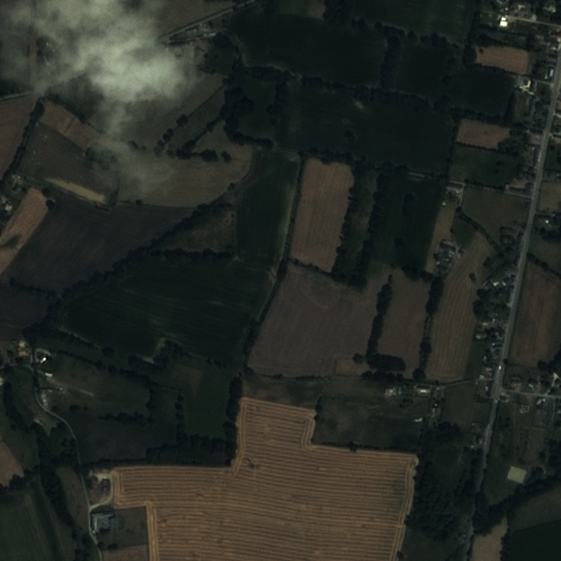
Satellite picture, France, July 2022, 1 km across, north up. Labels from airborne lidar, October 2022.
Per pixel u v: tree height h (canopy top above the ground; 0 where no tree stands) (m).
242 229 0
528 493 20
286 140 0
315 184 0
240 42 0
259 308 0
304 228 0
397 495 0
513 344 0
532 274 0
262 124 0
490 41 15
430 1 0
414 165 0
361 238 0
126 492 0
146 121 0
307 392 0
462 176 0
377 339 11
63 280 0
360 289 31
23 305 0
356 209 7
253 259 0
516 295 0
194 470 0
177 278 0
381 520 0
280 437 0
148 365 15
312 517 0
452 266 0
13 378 0
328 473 0
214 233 0
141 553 0
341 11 17
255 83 0
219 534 0
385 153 0
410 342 0
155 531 0
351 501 0
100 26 0
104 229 0
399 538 0
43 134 0
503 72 11
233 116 15
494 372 0
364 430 0
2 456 0
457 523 6
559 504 0
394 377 17
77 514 0
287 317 0
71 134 0
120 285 0
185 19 0
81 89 0
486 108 0
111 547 6
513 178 0
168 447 14
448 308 0
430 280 16
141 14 0
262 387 0
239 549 0
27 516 0
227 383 0
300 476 0
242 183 0
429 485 6
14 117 0
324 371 0
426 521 15
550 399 0
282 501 0
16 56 0
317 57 0
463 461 0
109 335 0
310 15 0
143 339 0
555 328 0
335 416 0
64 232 0
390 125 0
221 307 0
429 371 0
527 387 0
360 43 0
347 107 0
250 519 0
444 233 0
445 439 7
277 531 0
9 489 10
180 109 0
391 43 16
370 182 0
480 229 7
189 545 0
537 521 0
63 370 0
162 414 0
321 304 0
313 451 0
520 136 11
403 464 0
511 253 12
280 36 0
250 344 13
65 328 0
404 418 0
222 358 0
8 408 17
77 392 0
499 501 0
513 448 0
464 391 0
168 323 0
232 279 0
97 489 0
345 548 0
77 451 10
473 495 14
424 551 0
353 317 0
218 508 0
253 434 0
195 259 19
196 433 0
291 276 0
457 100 0
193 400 0
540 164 0
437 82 0
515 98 11
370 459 0
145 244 0
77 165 0
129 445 0
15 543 0
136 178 0
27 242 0
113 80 0
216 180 0
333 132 0
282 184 0
